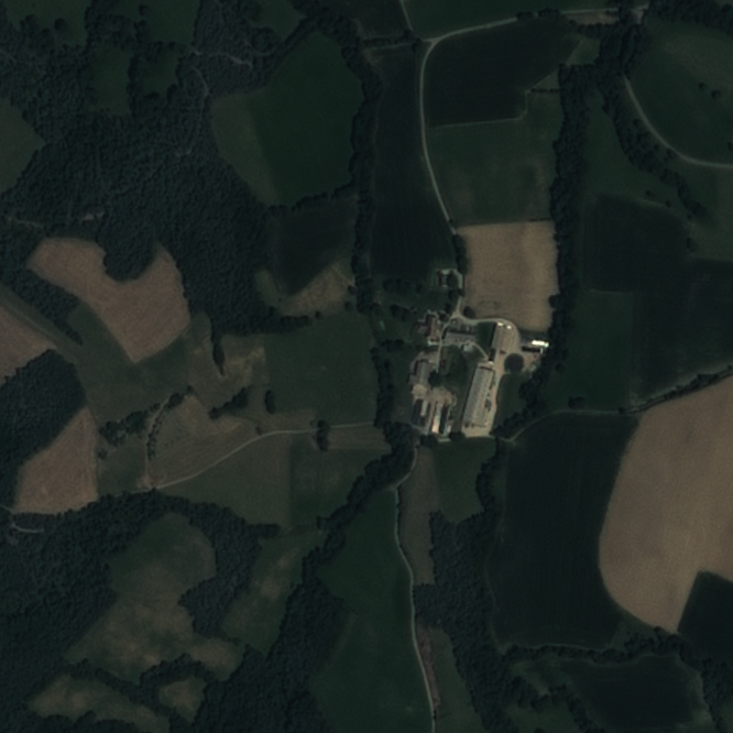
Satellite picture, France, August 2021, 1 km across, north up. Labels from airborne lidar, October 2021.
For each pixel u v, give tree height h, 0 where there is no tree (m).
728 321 0
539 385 21
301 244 0
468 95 0
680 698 0
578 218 18
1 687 17
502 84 0
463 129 0
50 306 10
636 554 0
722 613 0
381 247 0
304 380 0
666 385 0
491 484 20
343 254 0
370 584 0
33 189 15
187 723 12
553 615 0
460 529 8
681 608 0
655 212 0
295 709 16
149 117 13
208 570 0
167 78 0
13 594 15
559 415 0
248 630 0
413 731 0
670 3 22
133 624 0
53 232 13
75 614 9
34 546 11
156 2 0
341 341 0
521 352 0
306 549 0
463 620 17
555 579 0
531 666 0
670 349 0
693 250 9
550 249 0
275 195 0
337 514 11
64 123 15
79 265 0
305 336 0
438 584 9
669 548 0
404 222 0
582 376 0
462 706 0
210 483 0
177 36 0
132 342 0
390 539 0
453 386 0
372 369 0
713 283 0
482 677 13
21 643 14
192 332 0
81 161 13
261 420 0
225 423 0
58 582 6
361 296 11
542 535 0
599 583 0
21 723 7
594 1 0
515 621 0
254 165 0
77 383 8
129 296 0
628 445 0
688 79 0
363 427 0
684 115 0
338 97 0
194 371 0
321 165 0
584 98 24
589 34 16
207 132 9
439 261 0
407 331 0
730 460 0
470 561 11
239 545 11
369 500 10
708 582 0
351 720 0
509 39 0
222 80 9
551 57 0
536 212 0
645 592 0
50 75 13
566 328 22
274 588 0
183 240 13
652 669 0
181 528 0
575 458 0
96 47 17
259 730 22
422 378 0
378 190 0
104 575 13
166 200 12
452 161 0
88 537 11
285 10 0
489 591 14
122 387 0
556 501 0
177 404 7
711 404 0
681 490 0
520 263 0
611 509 0
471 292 0
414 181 0
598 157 0
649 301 0
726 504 0
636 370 0
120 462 0
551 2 0
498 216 0
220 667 0
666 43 0
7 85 14
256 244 13
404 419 0
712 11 28
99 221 7
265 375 0
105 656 0
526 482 0
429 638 0
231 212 13
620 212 0
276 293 0
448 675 0
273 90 0
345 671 0
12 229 7
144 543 0
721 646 0
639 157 24
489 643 20
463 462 0
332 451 0
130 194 10
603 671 0
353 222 0
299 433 0
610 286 0
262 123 0
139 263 10
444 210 0
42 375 9
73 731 17
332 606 12
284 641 18
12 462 15
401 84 0
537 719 0
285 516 0
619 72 12
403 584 0
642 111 0
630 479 0
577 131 17
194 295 15
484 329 0
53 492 0
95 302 0
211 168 12
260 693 19
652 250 0
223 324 13
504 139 0
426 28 0
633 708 0
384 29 0
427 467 0
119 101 0
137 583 0
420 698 0
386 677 0
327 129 0
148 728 0
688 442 0
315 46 0
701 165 0
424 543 0
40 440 14
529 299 0
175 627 0
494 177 0
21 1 0
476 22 0
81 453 0
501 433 14
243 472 0
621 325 0
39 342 0
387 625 0
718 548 0
